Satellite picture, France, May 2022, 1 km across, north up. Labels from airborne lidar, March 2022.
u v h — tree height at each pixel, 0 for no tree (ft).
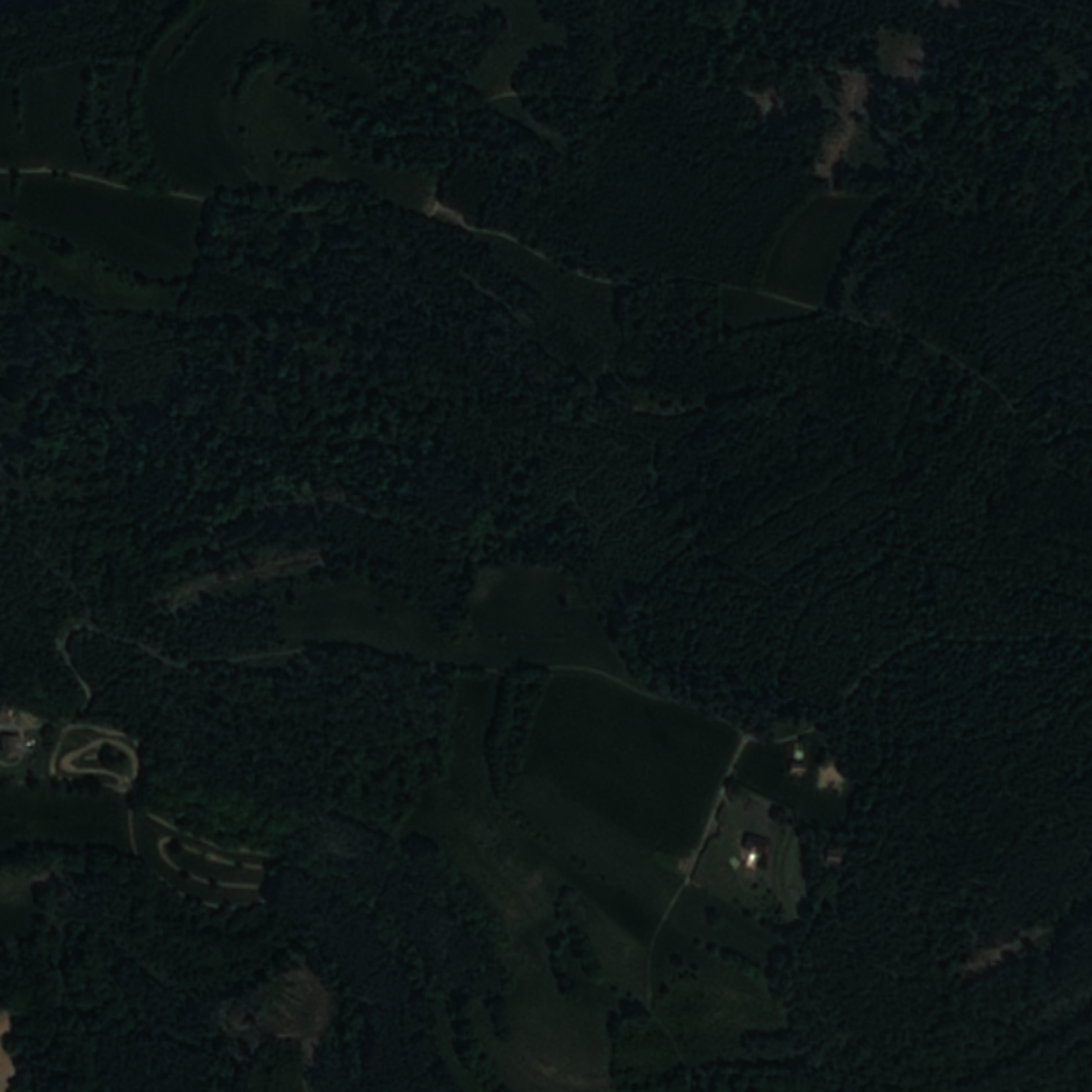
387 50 33
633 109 52
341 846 78
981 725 48
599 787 0
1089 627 48
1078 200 94
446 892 71
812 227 0
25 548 32
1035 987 92
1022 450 59
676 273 42
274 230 51
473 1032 66
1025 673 62
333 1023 0
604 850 0
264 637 32
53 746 30
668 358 44
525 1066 0
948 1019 50
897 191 65
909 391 44
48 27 62
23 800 0
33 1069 79
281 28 0
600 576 20
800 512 19
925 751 46
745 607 38
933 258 53
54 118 0
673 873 0
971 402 40
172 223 0
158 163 26
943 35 68
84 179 0
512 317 102
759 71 43
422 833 0
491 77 0
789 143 88
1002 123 72
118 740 0
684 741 0
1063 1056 52
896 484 59
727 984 0
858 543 40
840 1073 48
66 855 68
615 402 83
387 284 98
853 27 82
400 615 0
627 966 0
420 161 55
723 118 46
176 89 0
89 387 29
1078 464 56
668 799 0
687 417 26
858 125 50
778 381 52
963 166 53
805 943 52
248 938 69
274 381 36
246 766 41
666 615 42
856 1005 43
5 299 57
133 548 43
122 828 0
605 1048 0
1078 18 94
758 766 0
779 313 0
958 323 53
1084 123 86
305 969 104
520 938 0
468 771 0
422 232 33
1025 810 50
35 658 42
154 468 82
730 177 43
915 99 96
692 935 0
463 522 77
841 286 62
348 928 104
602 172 51
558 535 51
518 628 0
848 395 47
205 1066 88
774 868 0
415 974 83
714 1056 0
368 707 75
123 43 33
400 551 37
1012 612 54
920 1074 51
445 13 59
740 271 59
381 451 72
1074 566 56
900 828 45
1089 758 67
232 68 0
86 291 0
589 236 48
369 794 73
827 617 39
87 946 84
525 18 0
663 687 89
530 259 0
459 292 63
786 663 19
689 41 47
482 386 59
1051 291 37
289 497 88
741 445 61
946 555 46
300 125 0
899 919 37
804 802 0
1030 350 34
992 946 56
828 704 34
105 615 40
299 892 90
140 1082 93
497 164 31
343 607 0
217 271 47
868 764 45
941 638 26
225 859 0
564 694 0
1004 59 91
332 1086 81
